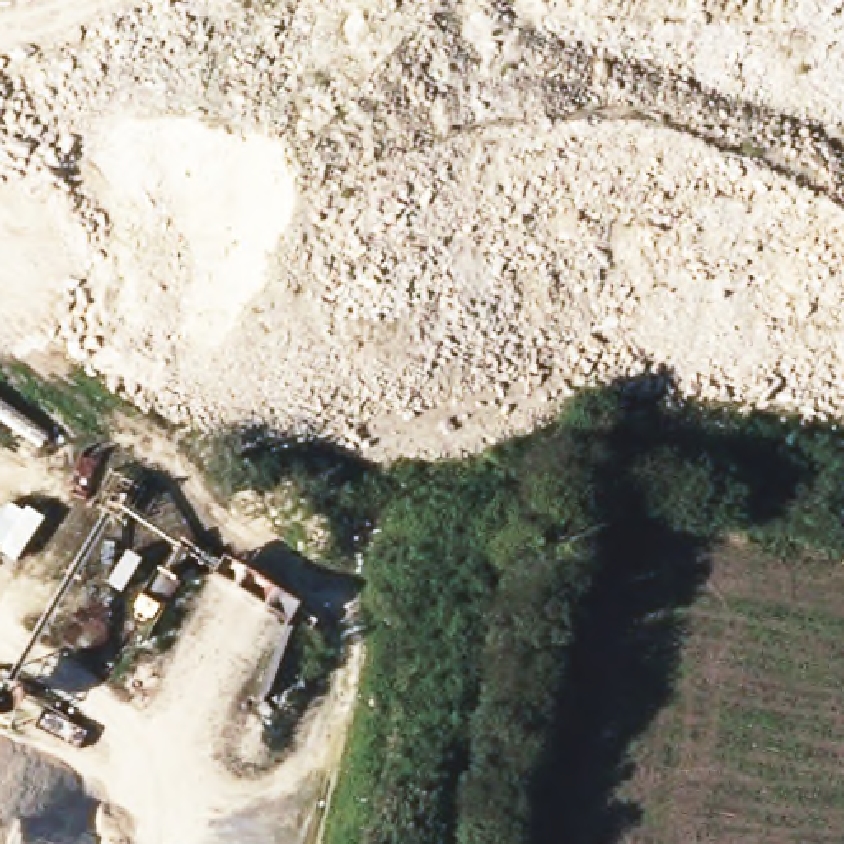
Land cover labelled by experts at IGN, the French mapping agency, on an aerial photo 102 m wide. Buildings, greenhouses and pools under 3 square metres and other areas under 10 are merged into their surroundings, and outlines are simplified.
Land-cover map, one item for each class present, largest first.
<instances>
[{"label":"pervious surface","instance_id":"1","mask_svg":"<svg viewBox=\"0 0 844 844\"><path fill-rule=\"evenodd\" d=\"M0 356L23 359L46 382L69 376V369L79 363L89 376L102 373L112 396H125L135 402L132 415L112 412L99 422L112 435L109 448H86L82 455H76L73 445H59L53 455H40L43 435L59 438V425L40 406L23 399L20 389H13L7 379L0 382V511L10 504L40 511V528L23 544V551L16 557L0 554V844H323L326 811L336 791L346 729L359 692V673L366 663L359 626V574L366 554H343L330 541L326 521L310 511L307 498H293V481L284 478L277 485L274 491H237L231 498V508H221L218 498L208 491L204 478L198 475V468L181 458L178 445L195 429L218 432L214 438L224 448H231L234 458H244L247 448L264 445L277 432H287L297 438H330L379 465H389L396 458H468L488 452L504 438L534 432L547 419L560 415L567 399H574L580 389L597 386H603L613 399V425L607 429V452L613 458H633L636 465L649 462L663 448H673L686 438V429L699 419V412L709 402H735V412L742 415L758 409H785L798 412L801 419L824 422L844 415V0H0ZM297 603L313 613L307 626H320L323 636L343 630L349 656L333 673L330 692L307 709L293 739V752L284 755L264 745V729L270 725L267 692L280 669Z\"/></svg>","mask_w":844,"mask_h":844},{"label":"agricultural land","instance_id":"2","mask_svg":"<svg viewBox=\"0 0 844 844\"><path fill-rule=\"evenodd\" d=\"M636 465L633 458H613L607 452V462H600V468L590 475L597 514L590 518V534L580 544L584 551H593L580 560V570L590 577V587L570 607L574 630L564 643V676L554 706L557 729L544 739L547 748L528 775L531 814L524 828V844H844V551L837 557H828L818 551H804L798 544L788 554L758 551L745 537V531L689 534L673 528L669 518H656L646 504L643 481L633 475Z\"/></svg>","mask_w":844,"mask_h":844},{"label":"brushwood","instance_id":"3","mask_svg":"<svg viewBox=\"0 0 844 844\"><path fill-rule=\"evenodd\" d=\"M613 425V399L603 386H597L580 389L574 399H567L560 415L547 419L534 432L504 438L488 452L468 458H396L389 465H379L330 438H297L287 432H277L264 445L247 448L244 458L257 462L277 485L284 478L293 481V498H307L310 511L326 521L330 541L343 554H366L376 524L386 521L389 504L396 498L415 504V521L429 534L422 541L425 557L415 560V567L409 570L412 584H382L379 593L389 600V610L402 620V626H396V643L409 646L412 656H422L419 673H412L409 686L399 692V706L402 712H425V719L432 722L412 739V745L402 748V755L412 765L409 775L396 781V795H373V821L366 834L369 844H455L458 778L471 762V712L478 709L481 679L495 669V649H485V633L498 630L501 610L514 600V587L498 577V564L521 551L524 531L531 528L521 521L524 511L534 508L551 521L560 518L557 481L564 478L567 448L574 435L580 429H607ZM682 462L709 468L712 478H725L729 485L739 481L748 488L745 518L755 528L745 531V537L758 551L788 554L798 544L804 551H818L828 557H837L844 551V415L824 422L801 419L798 412L785 409H758L742 415L735 412V402H709L699 412V419L686 429V438L673 448ZM313 613L297 603L280 669L267 692L270 725L264 729V745L284 755L293 752V739L307 709L330 692L333 673L349 656L343 630L323 636L320 626H307Z\"/></svg>","mask_w":844,"mask_h":844},{"label":"deciduous trees","instance_id":"4","mask_svg":"<svg viewBox=\"0 0 844 844\"><path fill-rule=\"evenodd\" d=\"M607 429H580L574 435L567 448L564 478L557 481L560 518L551 521L534 508L524 511L521 521L531 528L524 531L521 551L498 564V577L514 587V600L501 610L498 630L485 633V649H495V669L481 679L478 709L471 712V762L458 778L455 844H524V828L531 814L528 775L547 748L544 739L557 729L554 706L564 676V643L574 630L570 607L590 587V577L580 570V560L593 551H584L580 544L590 534V518L597 514L590 475L600 468V462H607ZM633 475L643 481L646 504L656 518H669L673 528L689 534L745 531L755 528L745 518L748 488L739 481L729 485L725 478H712L709 468L682 462L673 448H663L649 462L636 465Z\"/></svg>","mask_w":844,"mask_h":844},{"label":"herbaceous vegetation","instance_id":"5","mask_svg":"<svg viewBox=\"0 0 844 844\"><path fill-rule=\"evenodd\" d=\"M7 379L13 389H20L23 399L40 406L59 425V438L43 435L40 455H53L59 445H73L76 455H82L86 448H109L112 435L99 422L112 412L132 415L135 402L125 396H112L102 373L89 376L79 363L69 369V376L46 382L23 359L0 356V382ZM218 432L195 429L178 445L181 458L198 468V475L204 478L208 491L218 498L221 508H231V498L237 491H274L277 485L257 462L244 458H234L231 448H224L214 438ZM429 534L415 521V504L396 498L389 504L386 521L376 524L366 554L359 574V626L366 663L359 673V692L346 729L336 791L326 811L323 844H369L366 834L373 821V795H396V781L409 775L412 765L402 755V748L412 745V739L432 722L425 719V712H402L399 706V692L409 686L412 673H419L422 656H412L409 646L396 643V626H402V620L389 610V600L379 593L382 584H412L409 570L415 567V560L425 557L422 541Z\"/></svg>","mask_w":844,"mask_h":844},{"label":"building","instance_id":"6","mask_svg":"<svg viewBox=\"0 0 844 844\"><path fill-rule=\"evenodd\" d=\"M40 528V511L10 504L0 511V554L16 557L23 551V544Z\"/></svg>","mask_w":844,"mask_h":844}]
</instances>
